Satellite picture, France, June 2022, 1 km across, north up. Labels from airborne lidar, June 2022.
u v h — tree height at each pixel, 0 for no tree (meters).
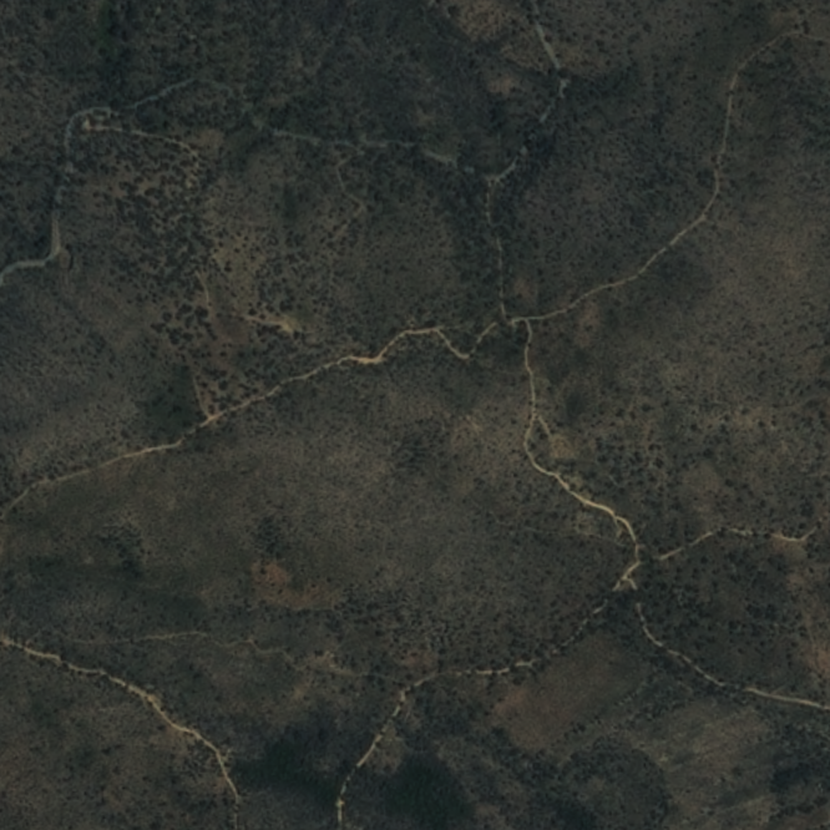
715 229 6
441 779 7
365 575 0
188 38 10
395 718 7
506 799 11
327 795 6
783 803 9
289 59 10
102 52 8
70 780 10
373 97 10
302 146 5
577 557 7
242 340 0
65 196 8
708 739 0
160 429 6
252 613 6
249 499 0
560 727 0
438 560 0
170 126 10
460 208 10
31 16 12
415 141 11
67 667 8
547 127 9
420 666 0
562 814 11
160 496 0
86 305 0
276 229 7
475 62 9
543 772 11
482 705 0
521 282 0
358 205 9
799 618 8
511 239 8
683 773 0
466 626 8
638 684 0
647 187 9
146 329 0
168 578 0
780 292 0
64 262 0
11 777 0
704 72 0
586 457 0
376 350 10
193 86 8
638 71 6
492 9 0
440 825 6
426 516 0
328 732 10
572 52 0
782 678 0
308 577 0
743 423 0
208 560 0
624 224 10
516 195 6
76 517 0
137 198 8
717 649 0
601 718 7
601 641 0
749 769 0
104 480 0
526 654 7
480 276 8
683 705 9
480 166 11
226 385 8
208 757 6
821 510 0
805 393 7
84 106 9
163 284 9
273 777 6
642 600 8
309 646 0
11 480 8
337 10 8
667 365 0
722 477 0
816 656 0
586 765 8
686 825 0
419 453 12
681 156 7
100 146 9
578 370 0
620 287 0
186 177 8
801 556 0
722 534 9
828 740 7
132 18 12
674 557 6
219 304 0
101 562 0
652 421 0
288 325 0
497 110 10
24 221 0
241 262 0
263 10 13
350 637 0
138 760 0
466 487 0
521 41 0
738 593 0
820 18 0
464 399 0
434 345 9
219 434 5
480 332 9
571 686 0
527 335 7
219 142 0
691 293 0
